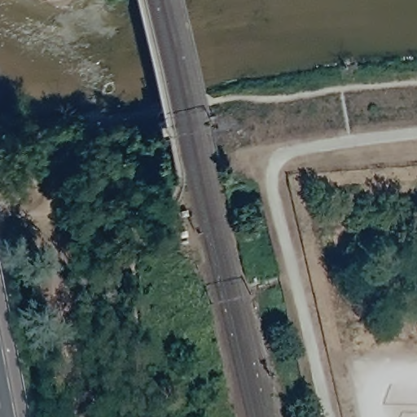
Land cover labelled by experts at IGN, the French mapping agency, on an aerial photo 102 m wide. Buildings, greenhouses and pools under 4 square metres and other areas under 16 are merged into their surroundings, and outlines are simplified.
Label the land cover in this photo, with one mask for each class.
<instances>
[{"label":"deciduous trees","instance_id":"1","mask_svg":"<svg viewBox=\"0 0 417 417\"><path fill-rule=\"evenodd\" d=\"M62 148L65 153L81 156L80 174L68 178L59 187V191L47 195V199L50 200L49 217L52 230L60 228L65 233H70V244L67 248V269H70V277L62 282L68 288L75 287L77 283L91 285L88 292L78 296V323L72 324L75 329L73 340L77 345V352L72 355V370L65 378L64 384H55V363L62 358L60 349H31L36 336H28L26 327L21 326V319L18 318L11 316L7 321L11 339L15 342L16 362L20 373L28 381L29 388L37 389L41 393L37 396V401L33 399L26 404V409L33 412L36 417H78L81 391L88 384L103 386L104 394L81 414L83 417H238V410L233 407V383L228 368L222 371L223 375L220 378L202 384L200 389L194 391L192 404H187L174 391V384L181 381V376L186 375L187 371L192 370L195 363L200 362V358L195 352H184V345L181 344L171 345V350L165 352L163 344H153L148 331L142 329V309L134 311L138 296L135 261L155 254L158 249L168 251L179 248L181 243L184 228L181 205L173 199L174 187L178 186V173L174 165L171 142L168 137H163L160 142L153 138H143L137 127H132L121 129L108 137L91 140L83 134V124H72L65 130L55 125L54 129H44L39 135H33L23 129L18 137L0 135V194L10 207H21L28 202V182L37 179L41 184L49 176L50 155H54L55 151ZM147 156H151L161 166V178H165V182L160 186H148L147 182L135 173L137 166ZM106 186L121 187L127 199L122 202L104 200ZM218 181L225 184L226 195L230 197L233 192L259 191L257 182L241 171L231 169V165L225 168V171H217ZM404 192L401 191V187L393 195L375 197L373 192L362 191L360 184L339 186L336 182L321 176H318L316 181L309 182L306 189L300 187V197L306 204L309 217L313 220V233L319 248L324 249L327 244L337 243L342 233L352 235L349 246L345 249L344 259L339 266H334V274L329 275L327 279L352 305L362 301L363 313L360 314V321L367 327V331L373 334L376 342H391L399 336L404 324H417V205L410 199H402ZM262 199L261 197L251 205L235 208L233 212V243L238 246L239 251L241 244L257 241L261 235H266L269 231L266 213L261 210ZM21 288L24 287L23 275L20 272L10 277V283H5L7 300L10 303H20L23 298ZM272 344H267L270 355L277 363L287 362L290 358L298 360L306 355L300 327L292 321H288L285 326L272 327ZM292 417H324L323 407L314 391L288 407Z\"/></svg>","mask_w":417,"mask_h":417},{"label":"herbaceous vegetation","instance_id":"2","mask_svg":"<svg viewBox=\"0 0 417 417\"><path fill-rule=\"evenodd\" d=\"M350 132L363 134L376 130L417 127V86L345 91ZM269 108V116L264 119L248 117L243 124H238L230 114L215 116L217 127L213 134V143L217 145V151L213 153L212 161L217 166V171H225V168L231 165V169L241 171L257 182L259 191L233 192L230 197L225 205L226 210L230 208L233 212L235 208L251 205L261 197L266 192V171L269 168L270 155L280 143L290 140L309 142L318 138L336 137L342 132L345 127L339 93L292 99L282 103H264ZM318 176H321L336 182L339 186L360 184L362 191L373 192L375 197L393 195L401 187V191L404 192L402 199H410L417 205V140L376 143L365 147L339 148L295 156L279 174V194L283 213L295 248L303 287L308 296L309 316L314 326H318L321 339L319 355L323 362L324 375L331 393L332 409L336 417H358L357 391L352 376L349 375V368L353 367L355 360L368 355L371 362L391 358L397 362L404 360L417 363V324H404L399 336L391 342H376L373 334L367 331V327L360 321V314L363 313L362 301L352 305L327 279L329 275L334 274V266H339L344 259L345 249L349 246L352 235L342 233L337 243L327 244L324 249L319 248L313 233V220L309 217L306 204L300 197V187L306 189L309 182L316 181ZM81 156L65 153L62 148L55 151L54 155H50L49 176L41 184L37 179L28 182V202L21 207H10L0 194V238L8 241L11 248H18L20 239L24 238L26 249L33 254H36L39 246L44 248V252L54 248L59 251L57 259L62 269L60 275H52L49 285L42 290L37 285L24 287L21 288L23 298L20 303H10L7 300V321L11 316L18 318L21 311L28 308L29 300H34L37 303V313H44L49 318L72 324L78 323V296L88 292L91 285L77 283L75 287L68 288L62 282L70 277V269H67V248L70 244V233H65L60 228L52 230L49 217L50 200L47 199V195L59 191V187L68 178L80 174ZM135 173L147 182L148 186H160L165 182V178H161V166L151 156H147L137 166ZM127 199L121 187L106 186L104 200L122 202ZM261 210L266 213L269 231L266 235H261L257 241L241 244L239 251L246 270L244 280L249 287L256 283L257 287L262 288L254 305H259L262 334L267 344H272V327L285 326L288 321H292L300 327L269 202L266 197L262 199ZM184 228L181 243L192 248L200 241L195 233L197 218L191 202L181 205ZM62 358L55 363V384H64L65 378L72 370V355L68 352V347L60 349ZM267 367L274 371V375L279 378L280 386L285 389L280 393L283 417H292L288 407L314 391L309 358L306 355L298 360L290 358L287 362L277 363L270 355L266 360ZM104 394L103 386L88 384L81 391L78 417H83L81 414Z\"/></svg>","mask_w":417,"mask_h":417},{"label":"water","instance_id":"3","mask_svg":"<svg viewBox=\"0 0 417 417\"><path fill-rule=\"evenodd\" d=\"M72 124H83V134L91 140L108 137L121 129L132 127H137L143 138H153L160 142L163 137L165 116L161 108L155 70L151 64L147 36L137 0H0V135L18 137L23 129L33 135H39L44 129H54L55 125L65 130ZM207 88L212 86L213 91H220L239 85L241 81H269L288 75L316 72L321 68L331 70L355 65L367 67L381 65L399 57L417 59V0H186Z\"/></svg>","mask_w":417,"mask_h":417},{"label":"pervious surface","instance_id":"4","mask_svg":"<svg viewBox=\"0 0 417 417\"><path fill-rule=\"evenodd\" d=\"M156 46L160 50L161 65L165 72L166 88L173 109L174 129L178 138L176 142L191 202L197 218L195 233L200 241L205 252L204 270L208 283L212 285L228 368L233 383V407L238 410V417H283L280 393L285 389L280 386L279 378L274 375V371L267 367L266 360L270 355L267 344L262 334L259 305H254L262 288L257 287L256 283L249 287L244 280L246 270L239 251L238 246L233 243V212L230 208L226 210L225 205L230 197L226 195L225 184L218 181L217 171V166L212 161L213 153L217 151V145L213 143V134L217 127L215 116V112L210 108L212 104L230 101L264 103H282L292 99L339 93L345 127L342 132H350L345 91L417 86V78L326 86L319 90L298 91L292 94L210 96L207 88L186 0H147ZM349 375L352 376L357 391L358 417H417V363L404 360L397 362L391 358L371 362L368 355L355 360L353 367L349 368Z\"/></svg>","mask_w":417,"mask_h":417},{"label":"brushwood","instance_id":"5","mask_svg":"<svg viewBox=\"0 0 417 417\"><path fill-rule=\"evenodd\" d=\"M417 78V59L399 57L381 65L367 67L355 65L331 70L321 68L316 72L288 75L269 81H241L239 85L220 91H213L212 86L207 88L210 96L292 94L298 91L319 90L326 86ZM210 108L215 112V116L230 114L238 124H243L248 117L264 119L269 116V108L264 103L230 101L212 104ZM205 252L200 241L192 248L181 243L179 248L168 251L158 249L155 254L135 261L138 296L134 311L142 309V329L148 331L153 344H163L165 352L171 350V345L181 344L184 345V352H195L200 358V362L195 363L192 370L187 371L186 375L181 376V381L174 384V391L187 404H192L194 391L200 389L202 384L220 378L223 375L222 371L228 368L212 285L208 283L204 270Z\"/></svg>","mask_w":417,"mask_h":417},{"label":"impervious surface","instance_id":"6","mask_svg":"<svg viewBox=\"0 0 417 417\"><path fill-rule=\"evenodd\" d=\"M147 36L151 64L155 70L161 108L165 116L163 137H168L171 142L174 165L178 173V186L174 187L173 199L181 205L191 202L176 142L178 138L174 129L173 109L166 88L165 72L161 65L160 50L156 46L147 0H137ZM417 140V127L376 130L363 134L350 132H342L336 137L318 138L309 142L290 140L280 143L270 155L269 168L266 171V192L261 197L262 199L266 197L269 202L300 327L306 355L309 358L314 391L323 407L324 417H336L332 409L331 393L324 375L323 362L319 355L321 339L318 326H314L309 316L308 296L303 287L295 248L283 213L279 194V174L295 156L339 148L365 147L376 143ZM5 283H10V277L8 269L0 266V417H36L33 412L26 409V404L33 399L37 401V396L41 393L37 389L29 388L28 381L20 373L16 362L15 342L11 339L7 321V300Z\"/></svg>","mask_w":417,"mask_h":417},{"label":"coniferous trees","instance_id":"7","mask_svg":"<svg viewBox=\"0 0 417 417\"><path fill-rule=\"evenodd\" d=\"M59 251L54 248L44 252V248L39 246L36 254H33L26 249L24 238L20 239L18 248H11L8 241L0 238V266L8 269L10 277L20 272L23 275L24 287L37 285L42 290L49 285L52 275H60L62 269L57 259ZM37 303L34 300H29L28 308L21 311L18 318L21 319V326L26 327L28 336H36L31 349H60L68 347V352L72 355L77 352V345L73 340L75 329L72 324L49 318L44 313H37Z\"/></svg>","mask_w":417,"mask_h":417}]
</instances>
